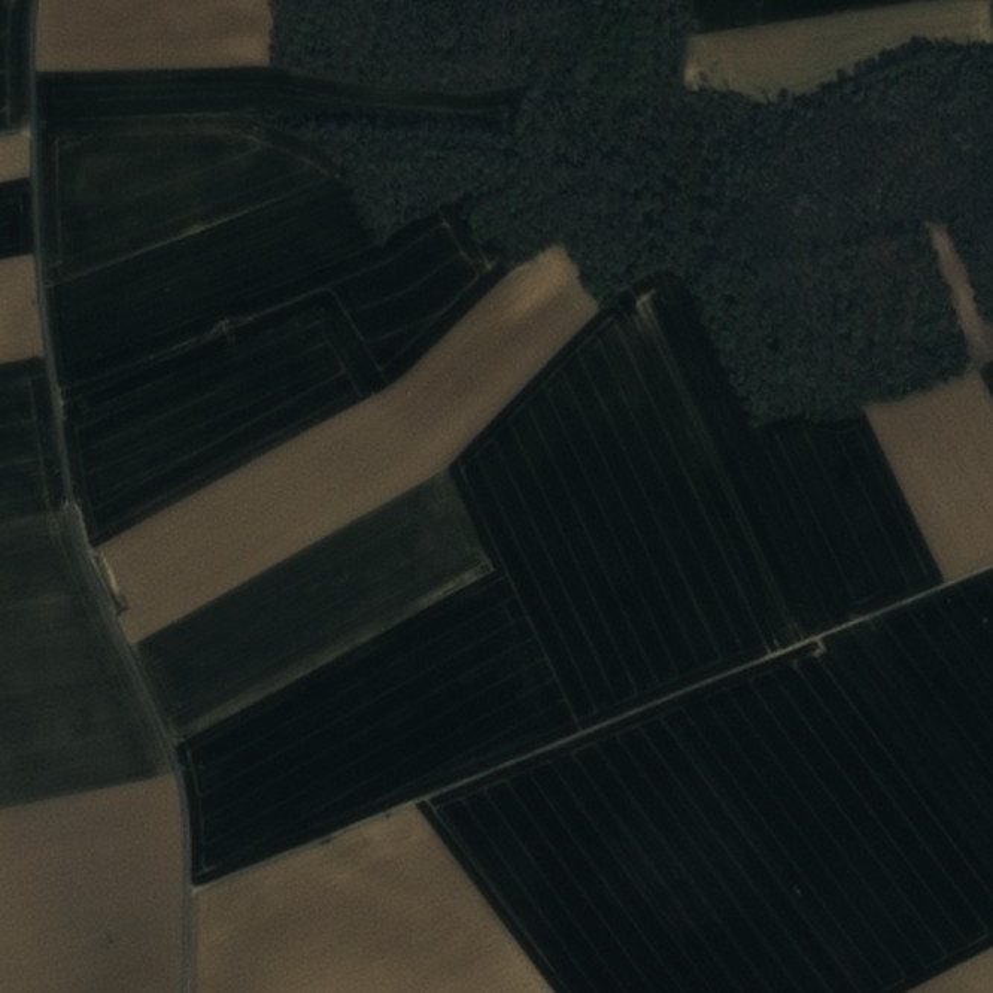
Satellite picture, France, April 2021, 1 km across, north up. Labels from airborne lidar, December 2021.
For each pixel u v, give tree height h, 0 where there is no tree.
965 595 0
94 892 0
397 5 17
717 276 24
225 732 0
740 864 0
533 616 0
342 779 0
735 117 6
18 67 0
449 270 0
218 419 0
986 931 0
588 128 32
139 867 0
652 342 0
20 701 0
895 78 11
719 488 0
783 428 0
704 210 19
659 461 0
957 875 0
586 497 0
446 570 0
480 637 0
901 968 0
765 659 0
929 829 0
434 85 9
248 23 0
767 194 21
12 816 0
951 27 0
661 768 0
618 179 28
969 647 0
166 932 0
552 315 0
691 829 0
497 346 0
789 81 0
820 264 21
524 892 0
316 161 0
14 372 0
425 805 0
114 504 0
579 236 19
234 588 0
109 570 0
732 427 0
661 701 0
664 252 24
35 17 0
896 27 0
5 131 0
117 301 0
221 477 0
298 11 11
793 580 0
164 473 0
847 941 0
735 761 0
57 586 0
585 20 25
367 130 19
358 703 0
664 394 0
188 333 0
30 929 0
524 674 0
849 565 0
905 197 13
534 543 0
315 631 0
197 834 0
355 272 0
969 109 22
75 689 0
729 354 19
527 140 31
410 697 0
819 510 0
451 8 17
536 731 0
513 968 0
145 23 0
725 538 0
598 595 0
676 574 0
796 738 0
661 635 0
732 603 0
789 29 0
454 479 0
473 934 0
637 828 0
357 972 0
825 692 0
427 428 0
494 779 0
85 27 0
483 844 0
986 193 19
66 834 0
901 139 19
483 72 19
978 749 0
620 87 30
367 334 0
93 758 0
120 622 0
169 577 0
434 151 18
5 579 0
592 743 0
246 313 0
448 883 0
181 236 0
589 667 0
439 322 0
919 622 0
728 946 0
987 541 0
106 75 0
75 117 0
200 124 0
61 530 0
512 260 17
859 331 20
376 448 0
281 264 0
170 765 0
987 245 23
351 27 18
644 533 0
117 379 0
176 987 0
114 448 0
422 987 0
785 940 0
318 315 0
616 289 15
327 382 0
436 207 13
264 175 0
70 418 0
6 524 0
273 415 0
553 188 22
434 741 0
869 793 0
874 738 0
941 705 0
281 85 0
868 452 0
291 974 0
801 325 24
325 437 0
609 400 0
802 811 0
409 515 0
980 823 0
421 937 0
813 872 0
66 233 0
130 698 0
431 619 0
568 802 0
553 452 0
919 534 0
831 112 20
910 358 23
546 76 21
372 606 0
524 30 20
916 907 0
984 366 0
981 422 0
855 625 0
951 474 0
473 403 0
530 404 0
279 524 0
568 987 0
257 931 0
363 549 0
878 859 0
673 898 0
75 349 0
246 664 0
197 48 0
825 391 19
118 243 0
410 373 0
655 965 0
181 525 0
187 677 0
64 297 0
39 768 0
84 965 0
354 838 0
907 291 19
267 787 0
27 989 0
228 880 0
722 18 0
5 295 0
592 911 0
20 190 0
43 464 0
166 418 0
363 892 0
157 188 0
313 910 0
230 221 0
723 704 0
